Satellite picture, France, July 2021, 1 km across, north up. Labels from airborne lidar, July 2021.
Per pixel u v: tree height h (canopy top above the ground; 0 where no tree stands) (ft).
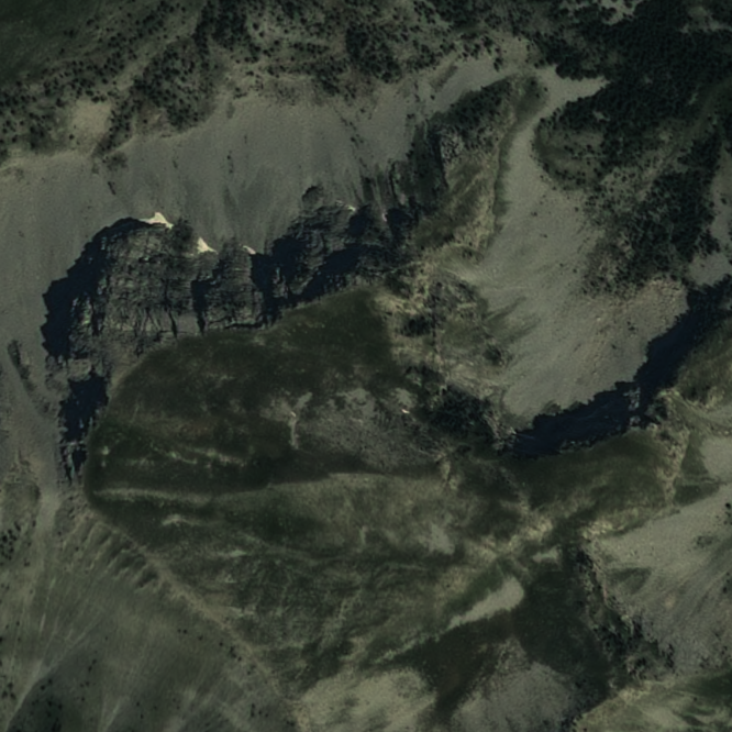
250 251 0
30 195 0
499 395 0
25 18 0
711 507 0
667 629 0
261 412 0
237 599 0
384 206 0
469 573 0
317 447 0
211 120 0
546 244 0
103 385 0
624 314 0
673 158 0
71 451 0
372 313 0
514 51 0
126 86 0
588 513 0
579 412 0
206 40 27
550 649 0
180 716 0
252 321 0
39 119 18
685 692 0
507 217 0
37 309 0
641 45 37
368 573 0
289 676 0
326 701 0
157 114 0
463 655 0
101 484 0
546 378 0
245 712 0
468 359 0
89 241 0
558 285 0
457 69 0
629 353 0
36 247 0
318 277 0
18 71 0
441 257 0
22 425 0
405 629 0
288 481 0
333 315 0
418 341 0
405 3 0
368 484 0
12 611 0
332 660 0
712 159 28
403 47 0
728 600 0
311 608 0
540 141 0
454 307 0
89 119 0
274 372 0
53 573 0
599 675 0
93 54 0
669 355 0
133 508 0
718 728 0
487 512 0
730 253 0
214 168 0
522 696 0
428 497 0
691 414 0
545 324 0
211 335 0
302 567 0
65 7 0
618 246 18
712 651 0
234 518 0
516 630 0
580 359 0
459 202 0
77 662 0
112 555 0
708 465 0
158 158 0
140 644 0
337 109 0
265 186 0
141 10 0
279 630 0
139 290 0
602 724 0
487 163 0
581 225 0
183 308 20
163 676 0
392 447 0
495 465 0
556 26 0
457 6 34
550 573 0
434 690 0
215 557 0
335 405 0
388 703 0
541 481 0
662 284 0
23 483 0
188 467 0
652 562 0
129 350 0
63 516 0
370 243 0
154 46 0
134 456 0
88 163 0
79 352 0
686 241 28
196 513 0
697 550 0
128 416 0
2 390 0
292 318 0
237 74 0
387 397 0
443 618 0
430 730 0
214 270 0
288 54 0
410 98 0
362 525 0
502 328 0
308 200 0
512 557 0
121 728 0
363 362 0
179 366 0
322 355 0
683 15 26
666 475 0
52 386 0
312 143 0
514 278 0
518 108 0
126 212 0
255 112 0
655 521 0
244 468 0
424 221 0
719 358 0
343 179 0
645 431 0
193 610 0
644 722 0
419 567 0
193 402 0
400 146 0
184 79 23
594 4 23
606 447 0
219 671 0
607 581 0
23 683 0
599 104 31
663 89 27
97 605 0
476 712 0
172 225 0
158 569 0
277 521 0
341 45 0
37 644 0
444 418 33
